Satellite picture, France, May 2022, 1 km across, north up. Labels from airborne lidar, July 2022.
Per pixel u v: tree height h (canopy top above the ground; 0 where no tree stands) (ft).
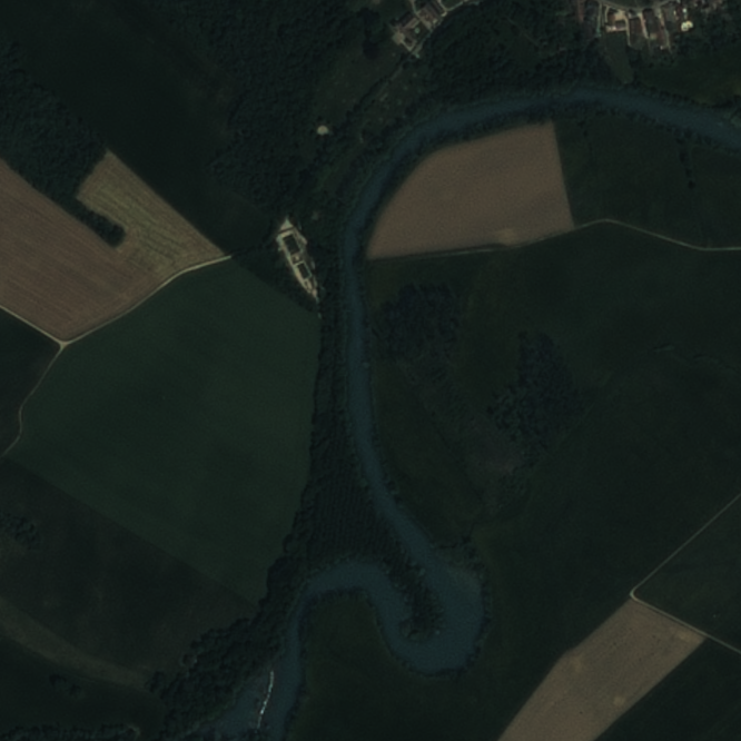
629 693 0
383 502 0
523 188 0
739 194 0
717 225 0
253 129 46
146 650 0
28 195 0
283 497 0
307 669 0
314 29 71
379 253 0
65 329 0
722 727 0
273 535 0
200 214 0
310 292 0
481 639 39
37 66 0
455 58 71
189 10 56
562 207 0
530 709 0
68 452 0
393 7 0
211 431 0
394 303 0
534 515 0
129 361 0
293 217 62
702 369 0
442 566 0
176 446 0
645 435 0
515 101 0
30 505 0
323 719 0
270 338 0
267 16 56
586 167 0
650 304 0
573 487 0
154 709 0
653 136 0
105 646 0
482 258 0
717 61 0
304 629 57
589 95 0
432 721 0
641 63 53
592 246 0
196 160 0
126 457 0
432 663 0
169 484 0
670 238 0
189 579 0
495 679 0
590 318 0
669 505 0
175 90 0
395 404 0
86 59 0
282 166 63
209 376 0
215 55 37
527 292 0
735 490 0
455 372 0
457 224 0
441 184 0
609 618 0
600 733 0
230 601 0
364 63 0
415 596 74
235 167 50
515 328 0
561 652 0
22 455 0
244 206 0
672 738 0
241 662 58
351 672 0
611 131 0
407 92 0
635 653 0
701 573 0
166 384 0
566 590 0
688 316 0
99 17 0
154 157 0
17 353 0
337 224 41
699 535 0
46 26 0
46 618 0
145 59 0
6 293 0
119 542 0
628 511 0
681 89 0
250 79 45
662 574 0
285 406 0
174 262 0
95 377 0
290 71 54
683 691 0
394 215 0
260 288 0
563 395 118
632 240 0
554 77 40
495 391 0
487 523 0
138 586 0
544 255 0
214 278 0
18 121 75
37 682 0
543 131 0
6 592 0
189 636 0
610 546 0
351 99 0
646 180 0
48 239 0
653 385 0
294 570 62
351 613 0
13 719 0
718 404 0
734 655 0
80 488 0
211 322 0
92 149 73
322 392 39
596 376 0
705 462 0
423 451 0
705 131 0
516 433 30
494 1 48
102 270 0
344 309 42
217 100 0
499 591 0
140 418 0
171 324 0
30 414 0
